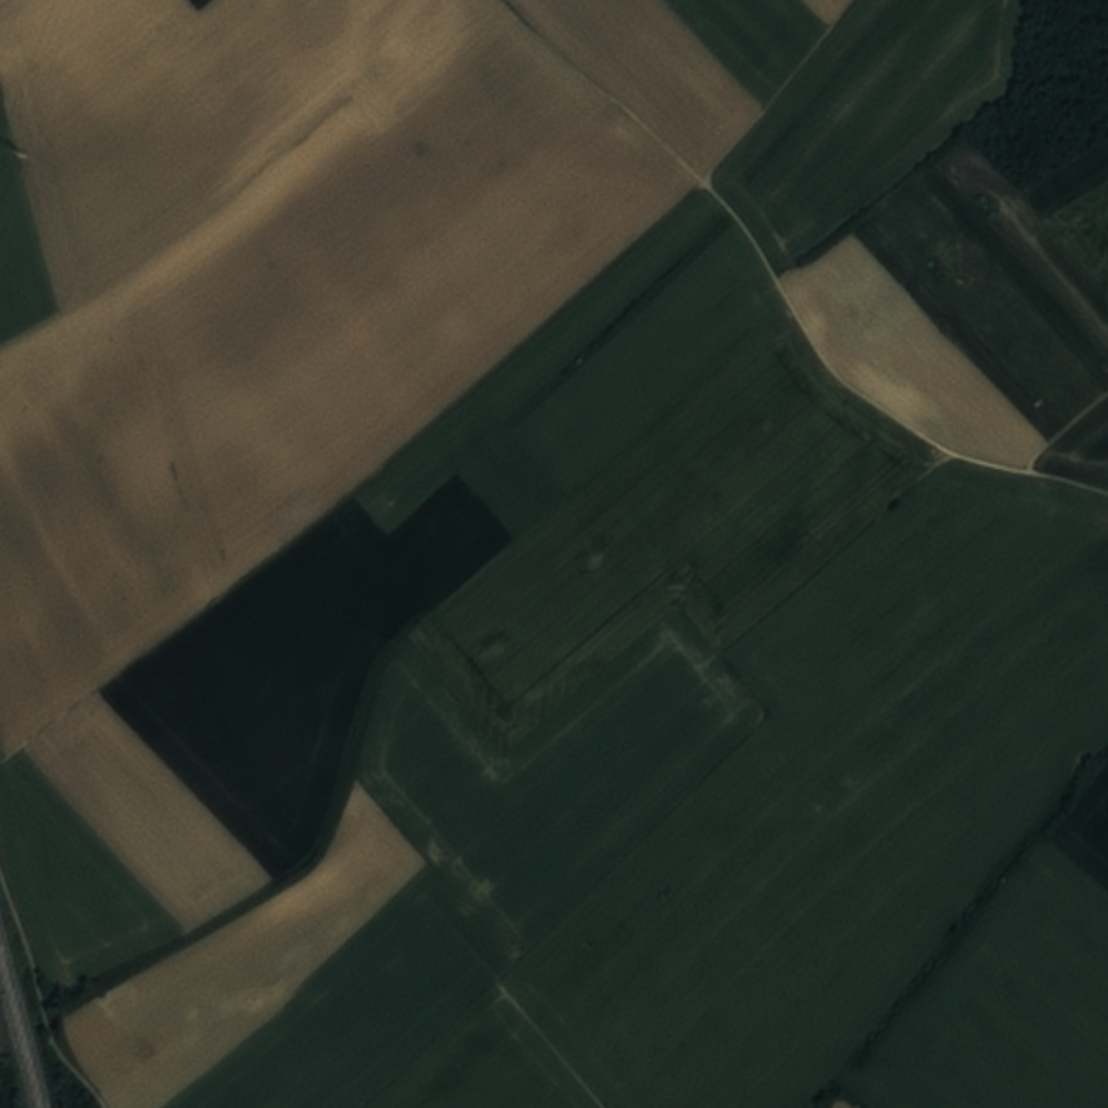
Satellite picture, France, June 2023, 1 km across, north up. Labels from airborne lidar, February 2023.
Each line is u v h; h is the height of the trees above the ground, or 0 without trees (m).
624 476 0
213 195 0
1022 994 0
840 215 0
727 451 0
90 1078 0
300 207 0
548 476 0
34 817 0
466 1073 0
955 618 0
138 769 0
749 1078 0
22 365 0
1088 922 0
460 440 0
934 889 0
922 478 0
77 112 0
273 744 0
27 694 0
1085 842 0
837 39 0
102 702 0
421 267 0
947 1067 0
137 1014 0
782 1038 0
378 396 0
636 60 0
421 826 0
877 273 0
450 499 0
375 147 0
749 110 0
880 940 0
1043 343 0
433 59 0
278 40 0
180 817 0
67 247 0
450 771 0
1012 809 0
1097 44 22
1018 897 0
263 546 0
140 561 0
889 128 0
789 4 0
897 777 0
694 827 0
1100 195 0
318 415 0
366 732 0
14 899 0
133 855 0
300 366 0
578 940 0
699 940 0
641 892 0
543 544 0
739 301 0
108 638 0
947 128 0
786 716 0
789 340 0
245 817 0
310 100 0
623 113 0
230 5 0
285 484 0
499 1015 0
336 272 0
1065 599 0
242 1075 0
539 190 0
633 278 0
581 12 0
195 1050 0
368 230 0
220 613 0
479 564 0
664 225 0
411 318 0
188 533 0
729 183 0
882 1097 0
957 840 0
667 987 0
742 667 0
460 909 0
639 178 0
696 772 0
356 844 0
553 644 0
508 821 0
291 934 0
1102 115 20
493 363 0
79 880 0
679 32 0
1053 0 21
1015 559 0
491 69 0
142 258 0
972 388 0
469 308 0
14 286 0
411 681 0
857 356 0
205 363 0
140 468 0
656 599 0
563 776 0
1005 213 0
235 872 0
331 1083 0
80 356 0
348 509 0
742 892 0
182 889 0
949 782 0
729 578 0
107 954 0
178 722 0
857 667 0
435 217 0
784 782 0
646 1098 0
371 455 0
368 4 0
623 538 0
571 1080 0
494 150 0
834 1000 0
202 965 0
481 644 0
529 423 0
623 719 0
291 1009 0
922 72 0
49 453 0
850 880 0
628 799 0
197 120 0
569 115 0
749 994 0
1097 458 0
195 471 0
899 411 0
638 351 0
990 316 0
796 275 0
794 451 0
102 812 0
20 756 0
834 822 0
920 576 0
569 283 0
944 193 0
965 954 0
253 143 0
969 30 0
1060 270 0
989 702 0
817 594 0
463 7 0
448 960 0
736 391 0
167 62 0
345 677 0
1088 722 0
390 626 0
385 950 0
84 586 0
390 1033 0
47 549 0
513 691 0
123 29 0
